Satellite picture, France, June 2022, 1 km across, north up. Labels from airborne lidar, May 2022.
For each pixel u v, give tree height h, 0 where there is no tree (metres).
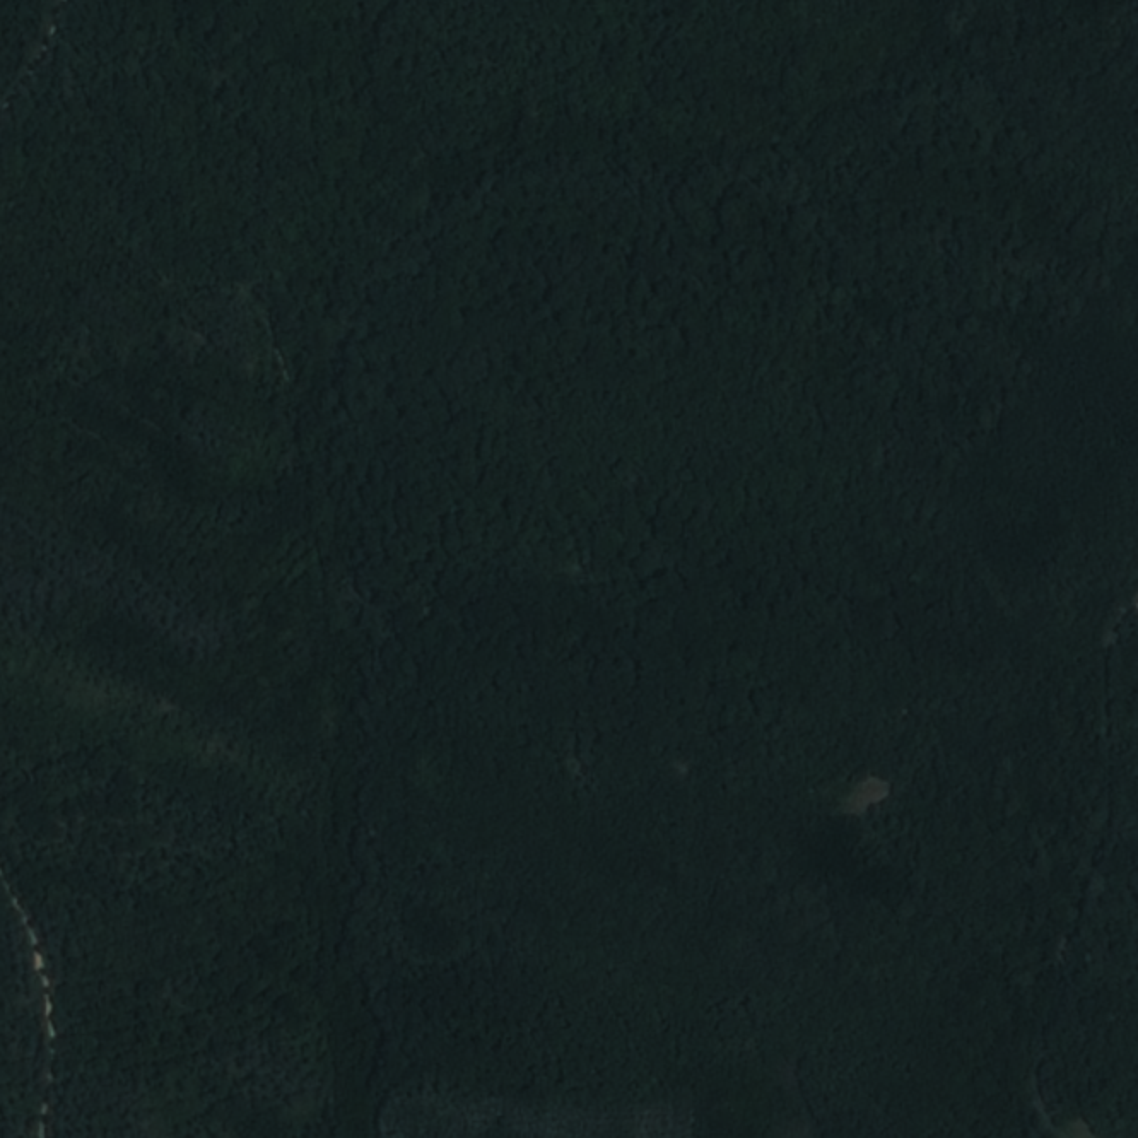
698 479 22
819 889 20
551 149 11
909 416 25
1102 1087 14
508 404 17
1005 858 23
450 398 21
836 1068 16
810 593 30
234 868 8
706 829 17
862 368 18
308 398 13
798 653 23
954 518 11
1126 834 26
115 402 13
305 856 15
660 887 17
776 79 13
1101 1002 27
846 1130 18
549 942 19
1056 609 18
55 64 19
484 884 19
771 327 20
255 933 15
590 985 15
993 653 17
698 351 25
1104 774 20
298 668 13
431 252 27
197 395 12
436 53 13
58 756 21
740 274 8
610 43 26
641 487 25
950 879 18
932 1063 23
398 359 25
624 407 18
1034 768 17
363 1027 10
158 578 12
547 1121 16
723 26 17
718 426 17
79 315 11
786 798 18
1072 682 17
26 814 12
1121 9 16
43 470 12
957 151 21
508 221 20
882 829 19
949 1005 24
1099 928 23
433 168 10
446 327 25
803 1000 19
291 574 16
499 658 28
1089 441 15
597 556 25
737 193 25
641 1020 17
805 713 20
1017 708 18
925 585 19
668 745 23
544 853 20
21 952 12
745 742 21
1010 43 25
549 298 17
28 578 14
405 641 28
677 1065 23
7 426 12
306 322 24
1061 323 14
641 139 27
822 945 20
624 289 24
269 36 23
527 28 19
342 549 9
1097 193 20
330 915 6
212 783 17
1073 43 16
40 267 12
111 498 15
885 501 13
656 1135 12
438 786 16
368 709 24
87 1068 14
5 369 12
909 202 11
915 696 14
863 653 18
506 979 22
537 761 19
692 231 26
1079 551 18
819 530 23
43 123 21
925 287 9
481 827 20
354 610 22
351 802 8
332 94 24
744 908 16
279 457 15
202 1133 16
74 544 13
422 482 25
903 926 19
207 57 24
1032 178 26
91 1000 11
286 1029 22
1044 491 15
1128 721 20
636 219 27
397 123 22
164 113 18
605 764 21
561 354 19
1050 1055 22
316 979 15
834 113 25
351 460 24
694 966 13
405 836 21
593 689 23
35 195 10
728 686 24
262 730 11
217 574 16
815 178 16
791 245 21
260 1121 21
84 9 20
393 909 20
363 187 23
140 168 21
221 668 15
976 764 21
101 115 25
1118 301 15
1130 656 17
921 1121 21
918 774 9
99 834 16
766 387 17
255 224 19
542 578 28
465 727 24
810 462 18
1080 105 20
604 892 18
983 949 21
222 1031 16
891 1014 21
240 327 29
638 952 15
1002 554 16
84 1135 19
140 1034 16
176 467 14
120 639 13
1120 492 14
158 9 16
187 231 22
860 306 18
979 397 15
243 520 18
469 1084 17
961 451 29
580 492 24
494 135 15
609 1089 17
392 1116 15
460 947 19
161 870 20
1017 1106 22
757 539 29
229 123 14
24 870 19
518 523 22
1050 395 14
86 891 20
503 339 29
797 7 15
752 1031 20
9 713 19
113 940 14
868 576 26
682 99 24
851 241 24
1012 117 22
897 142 25
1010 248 20
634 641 30
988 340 27
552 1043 23
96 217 17
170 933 12
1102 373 18
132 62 17
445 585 25
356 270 28
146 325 13
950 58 18
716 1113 19
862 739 19
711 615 29
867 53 14
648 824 17
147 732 18
